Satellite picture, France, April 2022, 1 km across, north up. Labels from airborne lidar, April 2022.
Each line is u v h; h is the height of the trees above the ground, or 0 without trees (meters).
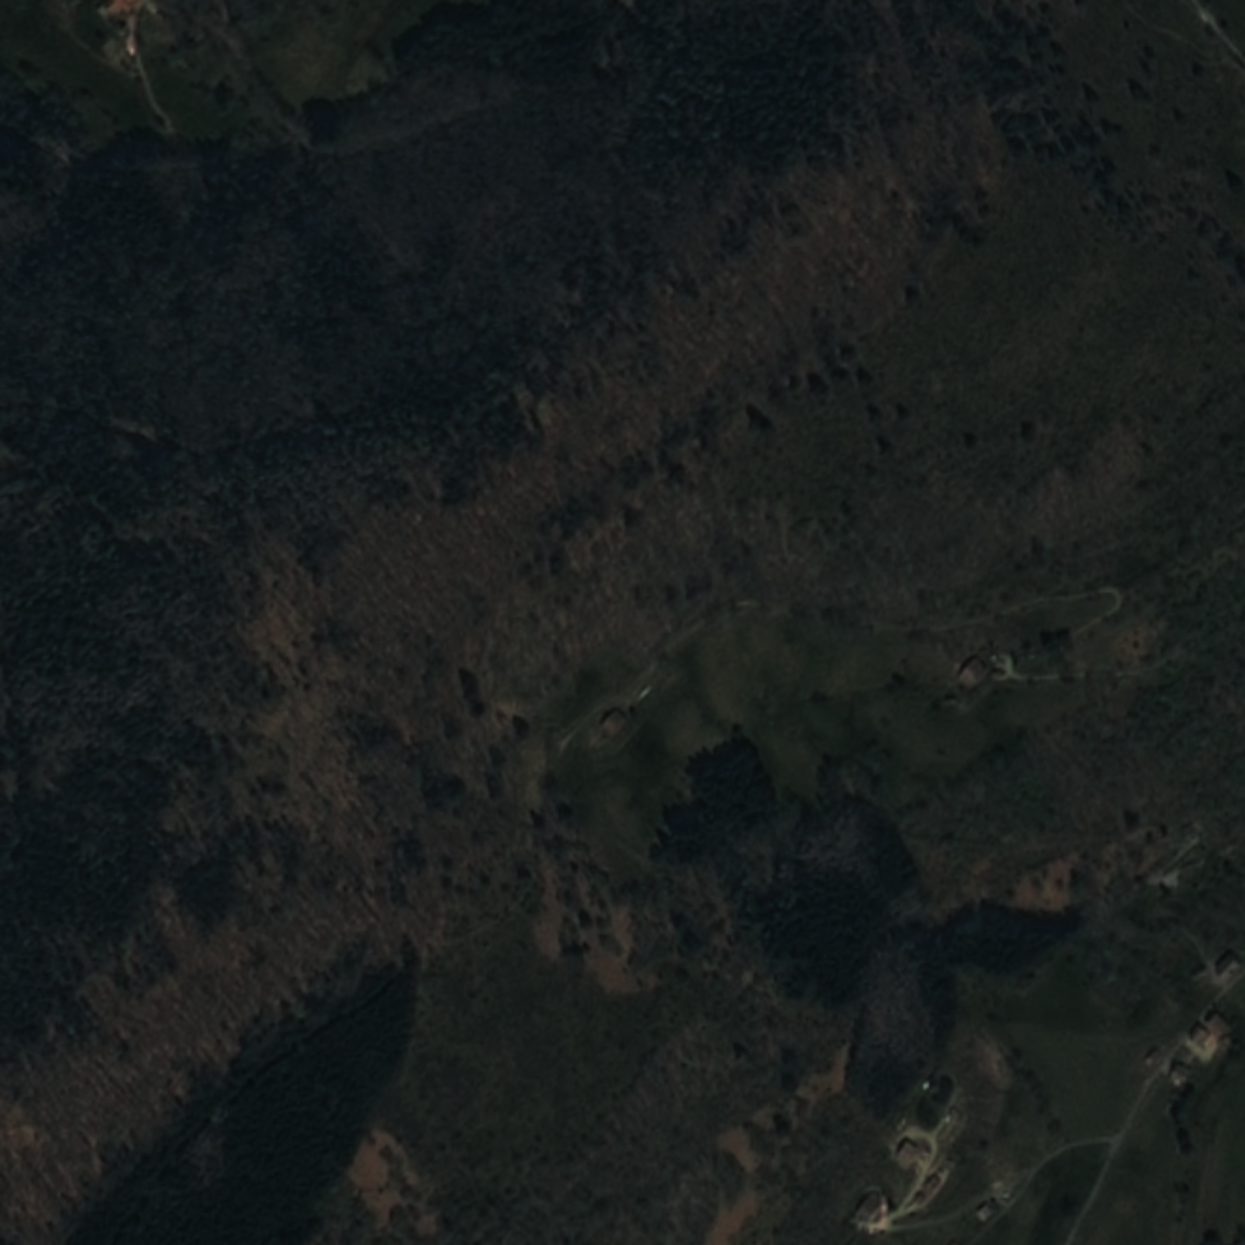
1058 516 19
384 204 22
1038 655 14
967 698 16
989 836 11
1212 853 0
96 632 23
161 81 0
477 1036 0
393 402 23
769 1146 17
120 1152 27
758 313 33
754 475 0
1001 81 11
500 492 27
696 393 22
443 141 25
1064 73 10
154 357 22
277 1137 15
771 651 0
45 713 19
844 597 13
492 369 22
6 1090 23
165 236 19
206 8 14
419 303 24
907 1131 0
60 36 0
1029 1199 0
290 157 21
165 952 23
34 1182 21
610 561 22
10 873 23
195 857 22
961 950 32
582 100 22
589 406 23
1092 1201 0
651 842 0
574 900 19
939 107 25
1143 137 0
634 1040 0
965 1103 0
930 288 12
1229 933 10
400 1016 16
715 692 0
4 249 17
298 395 20
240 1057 13
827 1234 10
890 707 0
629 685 0
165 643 19
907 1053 31
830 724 0
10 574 22
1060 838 7
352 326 24
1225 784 9
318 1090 21
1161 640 7
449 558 33
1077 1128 0
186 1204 18
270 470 24
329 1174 13
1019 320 0
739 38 26
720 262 23
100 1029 18
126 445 18
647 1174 16
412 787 28
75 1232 16
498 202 23
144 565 26
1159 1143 0
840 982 26
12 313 28
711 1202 19
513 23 25
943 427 0
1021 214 0
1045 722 0
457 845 16
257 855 21
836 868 34
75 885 27
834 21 15
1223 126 0
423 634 32
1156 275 0
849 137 15
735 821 19
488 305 23
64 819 21
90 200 20
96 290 26
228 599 20
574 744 0
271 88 20
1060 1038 0
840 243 22
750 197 13
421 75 30
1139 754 17
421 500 24
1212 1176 0
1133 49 0
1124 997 10
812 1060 11
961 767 0
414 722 26
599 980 0
